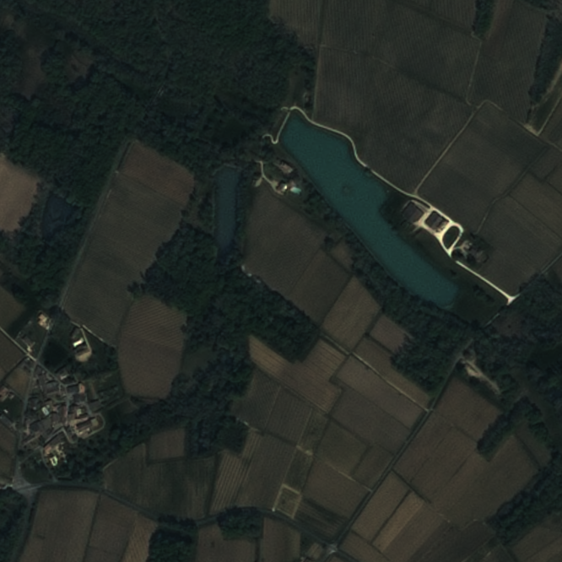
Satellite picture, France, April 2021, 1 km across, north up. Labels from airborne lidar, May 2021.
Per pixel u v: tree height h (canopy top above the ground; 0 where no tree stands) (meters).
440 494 0
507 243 0
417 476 0
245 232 15
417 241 0
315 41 0
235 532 14
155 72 20
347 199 0
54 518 0
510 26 0
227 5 23
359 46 0
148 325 0
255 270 0
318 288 0
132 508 0
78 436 10
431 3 0
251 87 19
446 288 0
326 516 0
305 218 0
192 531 22
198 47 18
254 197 0
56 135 22
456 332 26
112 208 0
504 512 9
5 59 20
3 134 13
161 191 0
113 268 0
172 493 0
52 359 0
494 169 0
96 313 0
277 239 0
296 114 0
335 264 0
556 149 0
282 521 0
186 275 23
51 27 6
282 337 22
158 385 0
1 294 0
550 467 7
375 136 0
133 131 20
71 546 0
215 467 0
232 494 0
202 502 0
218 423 14
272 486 0
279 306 16
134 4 20
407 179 0
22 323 0
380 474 0
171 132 22
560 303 18
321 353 0
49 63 24
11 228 0
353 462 0
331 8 0
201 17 21
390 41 0
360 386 0
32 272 16
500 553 0
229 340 24
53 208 0
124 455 14
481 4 16
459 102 0
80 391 0
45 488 0
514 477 0
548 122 0
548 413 0
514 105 0
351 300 0
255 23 21
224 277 24
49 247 20
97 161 21
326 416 0
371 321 0
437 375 24
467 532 0
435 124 0
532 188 0
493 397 0
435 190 0
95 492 0
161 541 21
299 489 0
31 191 0
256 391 0
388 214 0
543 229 0
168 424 16
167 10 17
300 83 0
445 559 0
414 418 0
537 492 14
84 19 17
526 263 0
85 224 8
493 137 0
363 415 0
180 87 14
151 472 0
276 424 0
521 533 16
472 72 0
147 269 0
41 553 0
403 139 0
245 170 17
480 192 0
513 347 23
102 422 0
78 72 17
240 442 9
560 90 0
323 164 0
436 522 0
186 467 0
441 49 0
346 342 0
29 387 0
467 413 0
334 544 0
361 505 0
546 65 15
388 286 19
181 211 0
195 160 25
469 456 0
